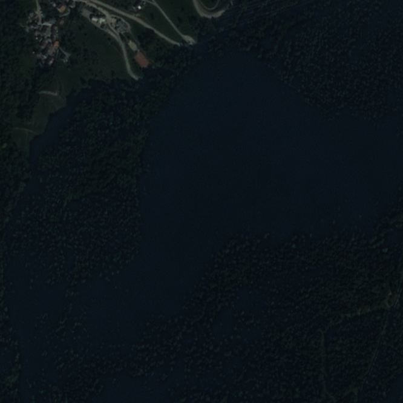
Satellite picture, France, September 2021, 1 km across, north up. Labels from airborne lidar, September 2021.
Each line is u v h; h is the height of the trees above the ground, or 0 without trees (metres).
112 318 29
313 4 22
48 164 30
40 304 11
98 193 19
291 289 18
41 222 20
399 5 14
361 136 27
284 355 27
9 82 24
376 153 27
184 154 24
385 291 11
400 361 11
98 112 25
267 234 28
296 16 24
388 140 29
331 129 24
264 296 12
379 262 6
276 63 23
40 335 32
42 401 15
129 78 0
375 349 8
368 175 27
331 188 34
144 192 28
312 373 10
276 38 19
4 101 27
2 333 17
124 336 28
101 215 29
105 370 27
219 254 27
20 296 13
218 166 12
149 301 27
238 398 21
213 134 16
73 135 27
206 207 29
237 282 17
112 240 29
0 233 11
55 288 19
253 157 26
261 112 30
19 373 21
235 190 21
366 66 19
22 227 26
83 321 26
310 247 15
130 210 23
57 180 20
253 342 17
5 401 16
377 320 9
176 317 10
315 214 12
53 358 33
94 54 8
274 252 13
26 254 18
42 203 23
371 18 27
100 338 32
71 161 28
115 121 33
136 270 12
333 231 15
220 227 29
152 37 22
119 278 13
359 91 31
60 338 21
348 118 27
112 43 8
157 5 0
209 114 21
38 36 6
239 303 12
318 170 29
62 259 27
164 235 24
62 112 0
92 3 0
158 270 27
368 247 19
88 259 20
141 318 29
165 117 23
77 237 27
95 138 30
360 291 14
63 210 20
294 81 6
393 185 21
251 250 13
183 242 26
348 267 12
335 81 26
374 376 15
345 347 12
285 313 6
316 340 10
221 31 27
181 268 27
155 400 32
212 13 0
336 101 23
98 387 27
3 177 19
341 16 18
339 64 27
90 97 18
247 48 33
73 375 32
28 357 24
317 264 12
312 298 11
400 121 29
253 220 25
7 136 20
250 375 26
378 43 26
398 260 26
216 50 34
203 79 26
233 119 15
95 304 22
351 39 30
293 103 27
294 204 21
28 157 0
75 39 6
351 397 12
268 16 20
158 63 15
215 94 28
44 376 33
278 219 31
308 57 29
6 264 18
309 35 26
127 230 27
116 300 32
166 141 25
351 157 27
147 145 25
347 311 19
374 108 27
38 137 0
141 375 23
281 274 11
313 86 30
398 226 14
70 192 13
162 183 16
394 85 25
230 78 22
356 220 15
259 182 27
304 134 10
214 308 16
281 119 29
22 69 18
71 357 31
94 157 26
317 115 28
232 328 31
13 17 25
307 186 30
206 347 32
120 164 20
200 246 26
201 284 25
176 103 23
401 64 26
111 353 36
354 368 8
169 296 24
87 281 16
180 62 22
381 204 15
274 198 26
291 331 11
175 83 18
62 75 0
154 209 26
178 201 29
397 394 22
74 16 11
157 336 36
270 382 32
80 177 28
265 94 29
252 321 28
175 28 0
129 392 16
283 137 31
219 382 15
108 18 0
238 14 20
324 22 24
